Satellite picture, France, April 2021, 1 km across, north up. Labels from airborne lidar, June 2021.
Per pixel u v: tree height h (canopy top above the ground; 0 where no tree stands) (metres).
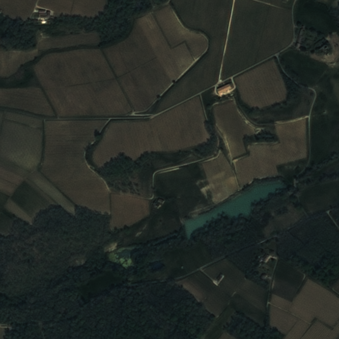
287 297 0
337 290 0
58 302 21
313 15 0
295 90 14
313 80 0
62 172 0
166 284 9
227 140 0
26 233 10
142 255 18
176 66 0
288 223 0
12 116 0
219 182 0
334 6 0
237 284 0
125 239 0
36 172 0
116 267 18
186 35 0
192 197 0
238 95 0
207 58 0
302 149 0
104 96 0
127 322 24
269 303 0
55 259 13
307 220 20
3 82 0
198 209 0
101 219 13
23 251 10
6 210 0
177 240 19
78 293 17
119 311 25
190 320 18
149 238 0
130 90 0
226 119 0
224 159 0
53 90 0
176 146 0
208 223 10
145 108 0
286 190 13
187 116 0
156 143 0
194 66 0
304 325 0
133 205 0
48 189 0
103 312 26
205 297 0
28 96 0
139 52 0
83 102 0
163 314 26
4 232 0
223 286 0
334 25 0
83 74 0
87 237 17
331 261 19
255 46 0
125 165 22
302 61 0
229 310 0
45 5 0
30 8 0
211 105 9
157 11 0
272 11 0
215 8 0
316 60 0
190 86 0
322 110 0
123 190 10
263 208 8
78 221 15
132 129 0
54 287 21
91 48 0
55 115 0
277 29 0
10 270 12
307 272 20
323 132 0
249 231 16
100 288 0
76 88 0
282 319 0
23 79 0
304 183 16
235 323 14
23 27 20
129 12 17
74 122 0
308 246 20
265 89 0
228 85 0
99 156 0
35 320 19
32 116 0
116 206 0
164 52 0
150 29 0
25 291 10
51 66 0
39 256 14
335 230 14
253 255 19
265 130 0
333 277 20
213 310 0
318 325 0
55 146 0
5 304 19
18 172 0
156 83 0
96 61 0
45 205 0
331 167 0
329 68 0
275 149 0
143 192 0
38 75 0
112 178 18
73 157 0
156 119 0
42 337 22
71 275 19
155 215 0
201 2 0
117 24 28
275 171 0
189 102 0
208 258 0
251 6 0
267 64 0
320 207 0
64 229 17
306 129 0
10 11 0
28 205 0
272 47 0
